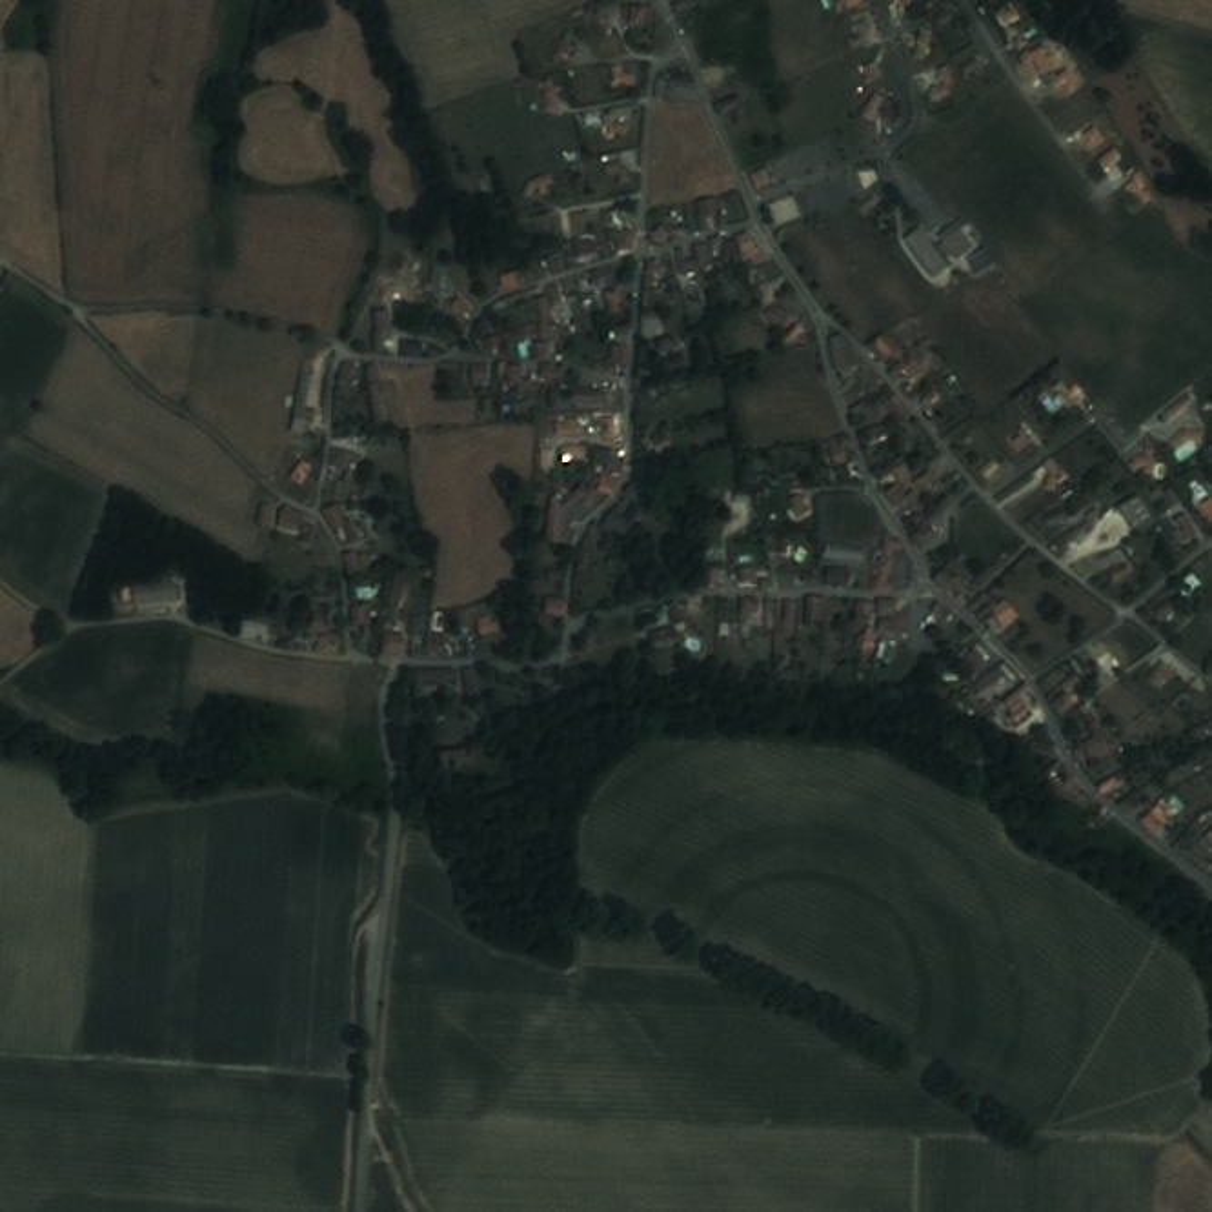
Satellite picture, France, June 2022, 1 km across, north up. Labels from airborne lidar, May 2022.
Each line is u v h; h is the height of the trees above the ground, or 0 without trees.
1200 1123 0
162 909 0
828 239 0
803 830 0
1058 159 0
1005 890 0
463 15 0
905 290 0
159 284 0
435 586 9
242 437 0
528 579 21
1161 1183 0
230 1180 0
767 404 0
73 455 0
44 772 0
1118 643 0
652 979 0
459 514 0
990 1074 0
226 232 0
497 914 20
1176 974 0
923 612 0
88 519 0
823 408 0
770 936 0
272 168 0
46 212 0
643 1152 0
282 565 0
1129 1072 0
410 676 15
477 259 16
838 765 0
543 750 24
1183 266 0
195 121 0
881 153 0
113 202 0
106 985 0
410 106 18
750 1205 0
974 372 0
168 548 18
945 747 16
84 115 0
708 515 12
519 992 0
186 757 11
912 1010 0
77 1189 0
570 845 21
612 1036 0
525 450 0
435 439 0
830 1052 0
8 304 0
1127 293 0
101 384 0
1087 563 0
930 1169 0
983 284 0
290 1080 0
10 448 0
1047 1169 0
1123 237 0
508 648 17
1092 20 11
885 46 0
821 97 0
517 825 35
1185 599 14
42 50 10
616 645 0
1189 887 20
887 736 9
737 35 0
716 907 0
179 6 0
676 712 22
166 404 0
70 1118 0
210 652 0
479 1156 0
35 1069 0
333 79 0
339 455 0
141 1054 0
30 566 0
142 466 0
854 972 0
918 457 14
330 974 0
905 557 0
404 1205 0
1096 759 7
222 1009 0
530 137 0
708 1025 0
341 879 0
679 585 12
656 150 0
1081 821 14
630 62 0
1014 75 0
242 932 0
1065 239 0
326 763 0
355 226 0
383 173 0
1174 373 0
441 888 0
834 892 0
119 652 0
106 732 0
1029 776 14
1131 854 11
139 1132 0
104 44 0
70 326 0
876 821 0
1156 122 7
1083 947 0
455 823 17
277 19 17
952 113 0
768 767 0
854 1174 0
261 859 0
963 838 0
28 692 0
